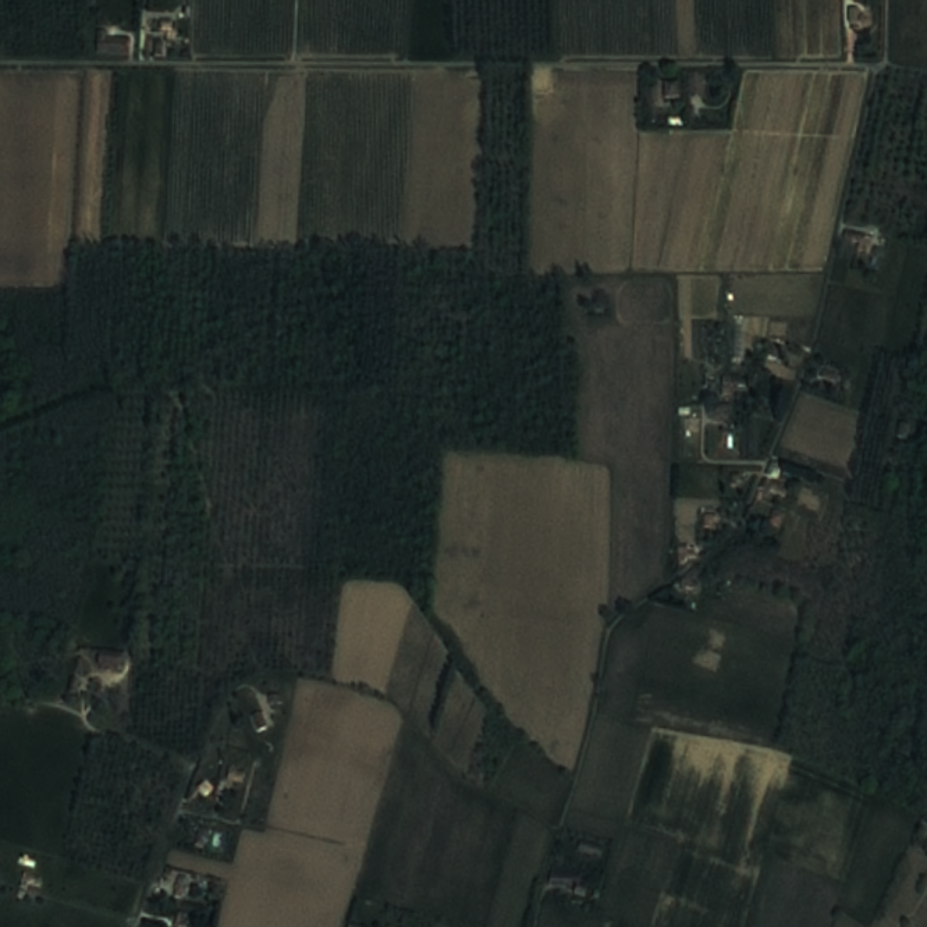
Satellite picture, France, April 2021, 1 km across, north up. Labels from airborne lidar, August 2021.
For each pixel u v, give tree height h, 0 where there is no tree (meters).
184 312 14
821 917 0
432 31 0
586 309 19
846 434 0
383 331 16
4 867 0
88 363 19
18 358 22
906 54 0
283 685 0
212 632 6
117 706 24
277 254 18
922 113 12
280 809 0
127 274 18
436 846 0
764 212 0
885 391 18
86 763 7
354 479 20
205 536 12
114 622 6
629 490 0
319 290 21
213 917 10
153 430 21
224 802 10
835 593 11
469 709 0
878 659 17
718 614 0
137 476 10
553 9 24
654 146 0
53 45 7
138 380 12
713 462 0
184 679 8
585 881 9
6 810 0
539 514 0
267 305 17
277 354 16
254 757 0
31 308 11
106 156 0
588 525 0
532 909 7
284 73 0
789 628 0
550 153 0
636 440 0
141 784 10
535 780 0
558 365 13
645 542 0
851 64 0
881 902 8
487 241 8
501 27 25
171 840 8
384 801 0
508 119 11
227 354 15
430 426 18
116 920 0
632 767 0
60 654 19
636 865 0
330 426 15
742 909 0
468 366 15
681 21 0
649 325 0
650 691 0
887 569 15
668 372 0
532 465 0
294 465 9
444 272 12
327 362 19
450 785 0
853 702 13
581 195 0
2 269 0
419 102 0
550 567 0
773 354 13
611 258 0
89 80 0
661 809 0
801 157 0
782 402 21
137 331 18
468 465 0
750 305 0
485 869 0
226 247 13
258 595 5
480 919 0
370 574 12
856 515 11
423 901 0
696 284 0
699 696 0
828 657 11
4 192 0
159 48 0
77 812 10
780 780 0
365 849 0
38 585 21
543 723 0
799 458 0
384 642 0
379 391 23
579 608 0
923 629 18
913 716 20
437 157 0
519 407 16
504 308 11
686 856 0
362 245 19
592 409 0
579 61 0
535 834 0
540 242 0
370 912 0
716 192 0
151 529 26
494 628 0
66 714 0
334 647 8
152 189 0
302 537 10
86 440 20
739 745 0
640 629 0
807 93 0
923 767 21
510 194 12
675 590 6
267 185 0
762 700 0
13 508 18
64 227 0
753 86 0
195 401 10
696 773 0
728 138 0
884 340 0
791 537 0
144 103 0
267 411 6
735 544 8
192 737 12
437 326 11
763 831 0
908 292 0
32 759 0
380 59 0
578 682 0
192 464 11
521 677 0
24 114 0
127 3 0
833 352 0
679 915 0
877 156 8
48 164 0
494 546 0
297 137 0
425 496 17
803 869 0
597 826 0
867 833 0
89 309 22
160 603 20
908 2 0
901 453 14
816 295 0
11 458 18
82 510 15
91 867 10
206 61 0
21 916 0
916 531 19
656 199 0
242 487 10
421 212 0
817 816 0
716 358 0
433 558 17
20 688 18
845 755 17
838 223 0
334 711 0
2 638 19
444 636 0
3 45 8
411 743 0
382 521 21
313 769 0
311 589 7
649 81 6
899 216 7
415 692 0
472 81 0
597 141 0
